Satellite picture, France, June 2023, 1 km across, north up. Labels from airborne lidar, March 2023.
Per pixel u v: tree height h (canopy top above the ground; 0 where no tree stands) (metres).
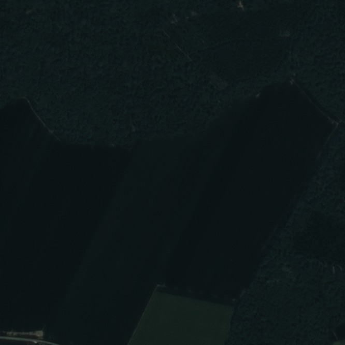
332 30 23
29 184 0
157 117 17
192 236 0
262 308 19
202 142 0
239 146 0
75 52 23
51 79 20
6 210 0
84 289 0
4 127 0
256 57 14
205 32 8
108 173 0
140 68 28
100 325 0
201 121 12
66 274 0
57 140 0
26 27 22
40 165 0
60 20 28
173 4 21
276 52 12
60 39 9
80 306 0
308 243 7
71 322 0
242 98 0
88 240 0
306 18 8
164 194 0
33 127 0
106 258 0
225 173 0
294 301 18
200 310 0
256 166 0
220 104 10
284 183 0
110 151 0
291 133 0
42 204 0
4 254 0
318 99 17
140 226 0
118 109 21
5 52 21
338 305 16
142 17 10
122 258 0
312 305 16
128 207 0
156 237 0
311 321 15
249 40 15
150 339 0
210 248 0
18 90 22
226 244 0
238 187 0
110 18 28
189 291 0
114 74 16
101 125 25
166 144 0
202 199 0
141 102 13
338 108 24
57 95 21
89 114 26
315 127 0
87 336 0
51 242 0
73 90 21
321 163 19
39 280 0
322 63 13
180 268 0
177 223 0
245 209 0
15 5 21
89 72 25
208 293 0
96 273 0
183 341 0
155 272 0
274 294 19
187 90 22
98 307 0
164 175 0
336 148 15
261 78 12
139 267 0
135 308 0
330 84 25
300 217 22
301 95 0
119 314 0
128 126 15
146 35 17
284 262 10
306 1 12
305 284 10
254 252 0
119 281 0
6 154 0
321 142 0
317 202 23
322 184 24
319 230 8
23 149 0
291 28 11
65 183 0
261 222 0
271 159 0
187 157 0
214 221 0
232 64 14
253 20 10
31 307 0
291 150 0
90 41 19
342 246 9
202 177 0
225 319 0
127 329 0
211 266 0
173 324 0
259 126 0
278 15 11
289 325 19
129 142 15
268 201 0
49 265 0
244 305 18
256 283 17
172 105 19
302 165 0
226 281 0
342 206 11
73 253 0
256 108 0
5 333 0
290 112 0
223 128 0
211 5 24
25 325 0
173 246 0
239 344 18
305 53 27
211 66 11
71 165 0
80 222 0
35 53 24
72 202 0
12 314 0
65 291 0
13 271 0
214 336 0
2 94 21
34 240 0
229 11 9
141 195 0
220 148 0
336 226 8
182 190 0
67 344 0
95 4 7
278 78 19
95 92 21
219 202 0
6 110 0
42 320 0
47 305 0
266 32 11
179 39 10
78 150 0
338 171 19
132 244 0
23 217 0
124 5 22
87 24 27
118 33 23
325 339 17
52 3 21
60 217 0
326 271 17
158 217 0
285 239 20
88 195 0
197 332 0
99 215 0
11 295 0
